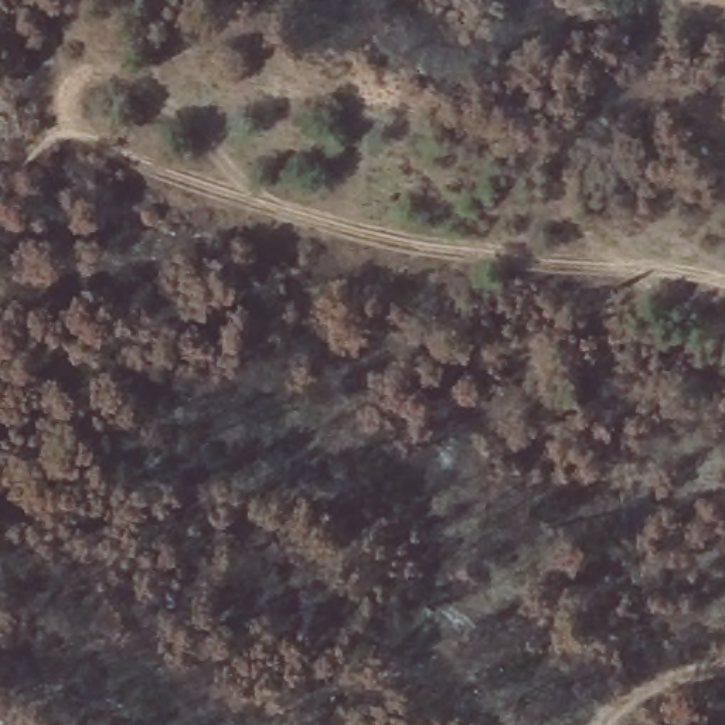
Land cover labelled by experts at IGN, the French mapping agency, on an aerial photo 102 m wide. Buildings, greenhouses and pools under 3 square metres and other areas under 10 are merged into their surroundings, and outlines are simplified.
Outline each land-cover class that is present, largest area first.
<instances>
[{"label":"coniferous trees","instance_id":"1","mask_svg":"<svg viewBox=\"0 0 725 725\"><path fill-rule=\"evenodd\" d=\"M76 20L102 23L105 51L110 59L122 65L116 79L125 82L153 79L156 65L173 59L195 42L204 48L207 57H215L221 51H238L244 57V68L252 76L263 71L272 54L289 51L295 59H300L306 51L323 48L357 51L374 71H408L413 85L436 93L433 105L428 108V122L436 133V142H447L445 156H436V167H447L456 181L436 190L430 178H425L419 184V193H411L408 229L416 235L473 241H484L496 229L507 232V244H524L532 252V261H538L561 244L578 241L592 229L598 218L609 227L623 229L626 235H640L649 224L657 221L663 229L677 232L691 244L714 249L719 258H725V0H0V82L28 76L31 62H48L57 54L65 28ZM127 99L116 93L110 82L91 85L82 91L79 108L82 119L91 125L99 142L127 139V130L133 125L122 122V105ZM331 102L329 96H317L314 108L303 116L300 130L306 136H317V150L337 156L343 147L334 133H329ZM280 184H297L306 193L329 187L323 181V173L312 170L303 159L286 164V170L280 173ZM297 261V229L292 224L278 221L261 224L221 229L218 238L207 241L204 252H173L159 263L122 266V258L116 252L96 246L93 224L88 221V207L82 201H74L65 190L54 204H37L31 195H25V207L20 212L0 204V705H17L23 680L34 671L37 660L48 654V643L54 640V634L76 626L79 632L96 634L99 640L119 646L142 660H150L164 671H176L184 683L204 694L210 708H246L252 714V725H297L300 694L309 691L320 677L343 688L374 691L385 700V705L379 708H340L337 717L343 725H405V700L391 688L388 660L371 657L365 649L346 654L348 640L365 629L371 606L368 598L357 592L360 572L343 578V552L323 541L320 530L306 524L312 501L309 496H283L275 490L255 493L246 487H235L229 484L227 470L218 459L204 462L193 479L164 476L150 481L136 470L130 447L153 442V436L159 433V413L170 391L187 382L212 391L215 385L232 379L261 391H286L280 396V408L286 411L283 419L289 428L312 430V447L340 453L346 447H363L374 436L388 456L416 459L428 467L425 490L433 498V515H439L445 524V535H473L484 521V507L496 501L501 493L498 484L518 481L521 470H530V481L535 484L541 481V473H552L555 484L561 487L530 510L541 521L538 544L521 547L518 561L504 566L515 586L524 583L535 592L524 598L518 606V612L538 623L535 634L524 640V649L527 654H547V663L555 666L561 674H569L581 663H586V668L595 674V683L612 694V700L626 697L632 688L654 680L668 668L702 660L711 646H725V340H708L700 331L680 334V309H674L663 323H657L651 312V292L660 283L654 272H640L632 278H612L603 286H592L589 278L532 272V263L527 258L510 255L464 263L473 283V292L467 295L470 314H462L447 297V289L442 283H430L422 272H394L374 261L351 269L348 278L329 280L314 295H309L306 289H297V280L292 278V266ZM620 725H725V671L702 683L674 685L646 700Z\"/></svg>","mask_w":725,"mask_h":725},{"label":"bare soil","instance_id":"2","mask_svg":"<svg viewBox=\"0 0 725 725\"><path fill-rule=\"evenodd\" d=\"M76 62H85L91 68V85L110 82L116 93L127 99L122 105V122L133 125H150L153 130H159L164 139H170V147L178 156L190 153L193 159H201L212 153L218 144H224L229 156L246 170L252 184L269 187L275 195L286 201L320 207L329 212L360 210V218L365 221L408 229L411 193H419V184L425 178H430L436 190L456 181L447 167H436V156H445L447 142H436V133L428 122V108L433 105L436 93L413 85L408 71H374L357 51L323 48L306 51L300 59H295L289 51L272 54L263 71L252 76L244 68V57L238 51H221L215 57H207L204 48L195 42L173 59L156 65L153 79L125 82L116 79L122 65L110 59L105 51L102 23L76 20L65 28L57 54L48 62H31L28 76L0 82V204L20 212L25 207V195H31L37 204H54L65 190L74 201H82L88 207V221L93 224L96 246L116 252L122 258V266L159 263L173 252H204L207 241L218 238L221 229L261 224L255 215L238 207H212L204 195L193 193L190 184L147 181L125 156H113L102 167L76 161L74 139L57 142L48 153L31 161L28 147L40 142V136L48 127L57 125V82ZM317 96H329L331 102L329 133H334L343 147L337 156L317 150V136H306L300 130L303 116L314 108ZM303 159L312 170L323 173V181L329 187L306 193L297 184H280V173L286 170V164ZM620 258L700 263L725 272V258H719L714 249L691 244L677 232L663 229L657 221L649 224L640 235H626L615 246ZM374 261L394 272H422L430 283H442L447 289V297L462 314H470L467 295L473 292V283L464 263H447L442 258L385 255L357 241H323L317 235H303L297 229V261L292 266V278L297 280V289H306L309 295H314L329 280L348 278L351 269ZM674 309H680V334L700 331L708 340H725V295L719 289H708L691 280L660 283L651 292V312L657 323H663ZM286 391H261L232 379L215 385L212 391L187 382L170 391L159 413V433L153 436V442L130 447L136 470L150 481L164 476L193 479L204 462L218 459L227 470L229 484L235 487H246L255 493L275 490L283 496H309L312 501L306 524L320 530L323 541L343 552V578L360 572L357 592L368 598L371 606L365 629L348 640L346 654L365 649L371 657L388 660L391 688L405 700V725H589L595 719V711L612 700V694L595 683V674L586 668V663H581L569 674H561L555 666L547 663V654H527L524 649V640L535 634L538 623L518 612V606L524 598L535 592L524 583L515 586L504 566L518 561L521 547L538 544L541 521L530 510L561 487L555 484L552 473H541V481L535 484L530 481V470H521L518 481L498 484L501 493L496 501L484 507V521L473 535H445V524L439 515H433V498L425 490L428 467L416 459L388 456L374 436L363 447H346L340 453L312 447V430L289 428L283 419L286 411L280 408V396ZM0 725H252V714L246 708H210L204 694L184 683L176 671H164L150 660H142L119 646L99 640L96 634L79 632L76 626L54 634V640L48 643V654L37 660L34 671L23 680L17 705H0ZM379 708L385 705V700L374 691L343 688L320 677L309 691L300 694L297 725H343L337 717L340 708Z\"/></svg>","mask_w":725,"mask_h":725},{"label":"pervious surface","instance_id":"3","mask_svg":"<svg viewBox=\"0 0 725 725\"><path fill-rule=\"evenodd\" d=\"M91 85V68L85 62H76L57 82V125L48 127L40 136V142L28 147L31 161L48 153L57 142L74 139L76 161L102 167L113 156H125L147 181L190 184L193 193L204 195L212 207H238L255 215L261 224L278 221L292 224L303 235H317L323 241H357L385 255L442 258L447 263H464L510 255L527 258L532 263V272L589 278L592 286H603L612 278H632L640 272H654L660 283L691 280L708 289H719L725 295V272L700 263L620 258L615 246L626 235L623 229L609 227L598 218L592 229L578 241L561 244L538 261H532V252L524 244H507V232L496 229L484 241H473L416 235L408 229L365 221L360 218V210L329 212L320 207L286 201L275 195L269 187L252 184L246 170L229 156L224 144H218L212 153L201 159H193L190 153L178 156L170 147V139H164L159 130H153L150 125H133L127 130V139L99 142L91 125L82 119L79 108L82 91ZM725 671V646H711L702 660L668 668L654 680L632 688L626 697L612 700L595 711V719L589 725H620L646 700L674 685L702 683Z\"/></svg>","mask_w":725,"mask_h":725}]
</instances>
